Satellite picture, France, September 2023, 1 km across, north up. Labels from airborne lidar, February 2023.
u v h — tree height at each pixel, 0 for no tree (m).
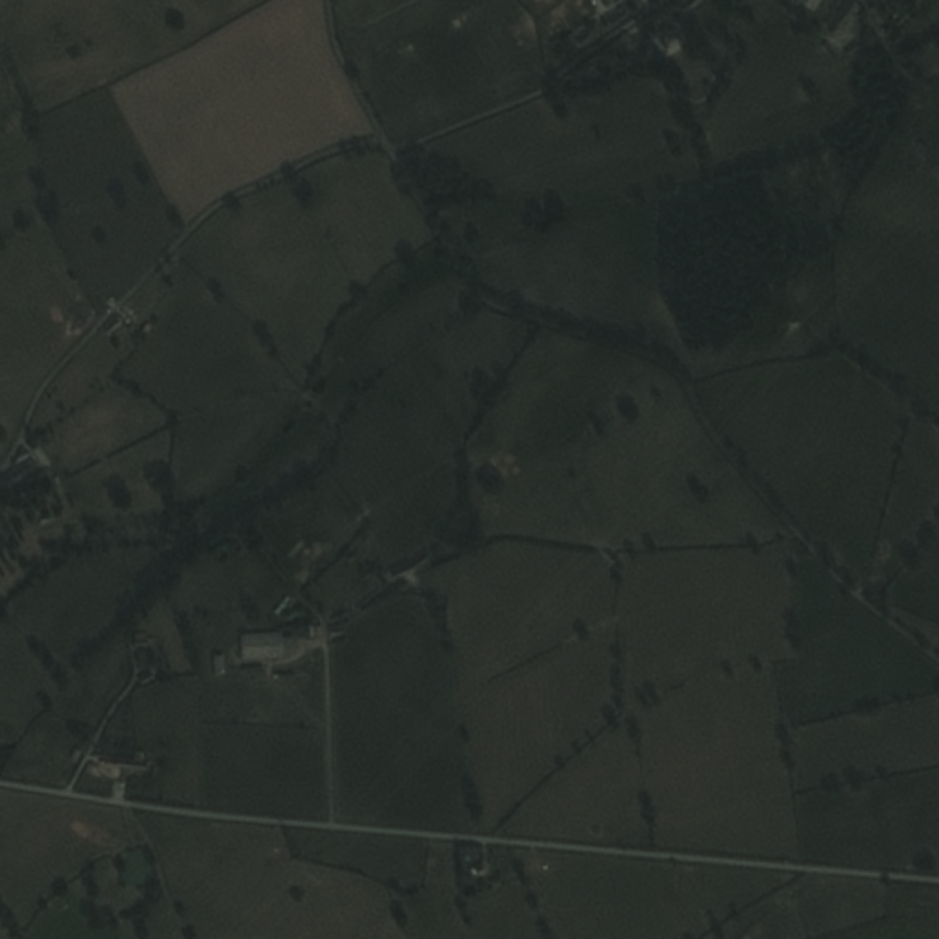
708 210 23
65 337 0
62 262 0
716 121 0
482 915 0
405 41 0
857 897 0
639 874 0
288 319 0
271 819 0
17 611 0
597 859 0
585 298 0
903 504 0
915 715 0
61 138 0
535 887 0
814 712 0
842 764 0
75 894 0
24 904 0
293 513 0
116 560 0
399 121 0
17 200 0
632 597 0
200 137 0
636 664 0
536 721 0
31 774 0
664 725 0
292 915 0
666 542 0
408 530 0
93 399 0
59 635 0
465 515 13
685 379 10
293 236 0
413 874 0
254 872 0
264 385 0
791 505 0
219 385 0
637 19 10
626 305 0
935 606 0
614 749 0
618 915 0
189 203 0
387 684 0
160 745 7
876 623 0
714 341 20
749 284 20
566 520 0
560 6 0
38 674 0
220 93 0
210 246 0
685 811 0
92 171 0
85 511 0
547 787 0
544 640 0
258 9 0
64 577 0
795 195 32
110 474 0
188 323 0
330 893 0
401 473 0
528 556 0
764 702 0
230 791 0
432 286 0
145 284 0
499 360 0
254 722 0
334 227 0
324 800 0
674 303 23
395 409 0
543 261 0
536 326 14
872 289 0
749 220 23
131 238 0
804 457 0
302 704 0
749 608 0
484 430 0
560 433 0
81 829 0
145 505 0
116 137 0
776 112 0
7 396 0
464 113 0
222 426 0
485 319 0
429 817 0
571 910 0
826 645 0
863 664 0
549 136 0
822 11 0
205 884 0
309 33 0
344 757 0
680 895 0
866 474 0
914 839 0
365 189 0
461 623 0
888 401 0
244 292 0
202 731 0
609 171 0
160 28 0
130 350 0
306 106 0
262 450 0
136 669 0
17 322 0
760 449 0
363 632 0
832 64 0
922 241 0
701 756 0
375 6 0
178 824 0
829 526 0
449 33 0
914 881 0
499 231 0
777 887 0
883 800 0
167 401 0
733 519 0
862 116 8
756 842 0
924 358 0
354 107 0
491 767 0
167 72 0
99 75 0
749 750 0
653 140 0
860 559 0
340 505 0
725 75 25
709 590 0
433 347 0
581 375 0
